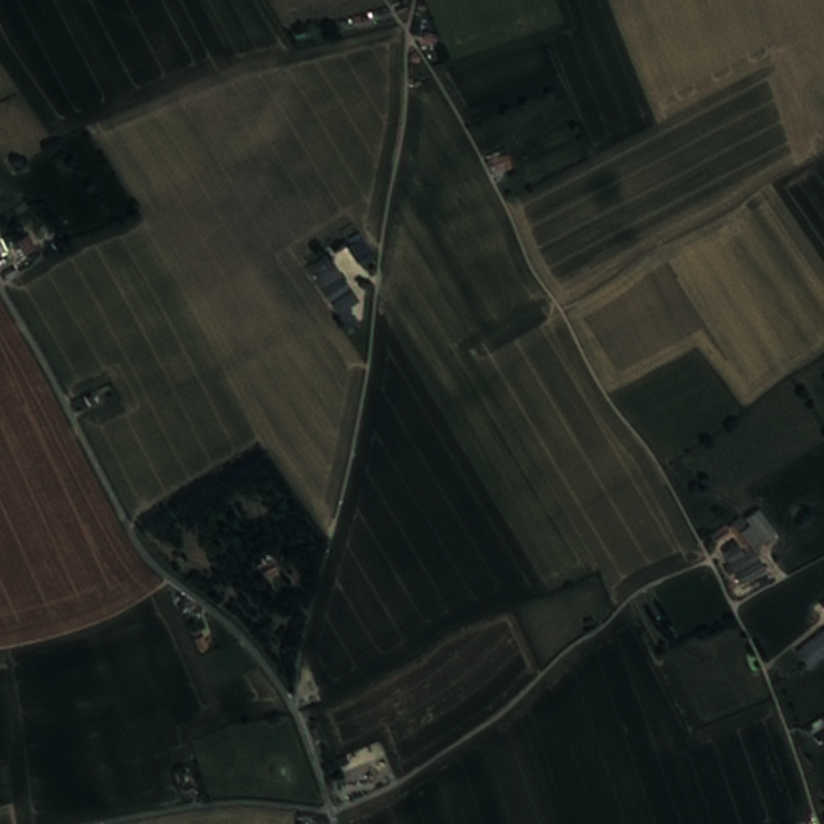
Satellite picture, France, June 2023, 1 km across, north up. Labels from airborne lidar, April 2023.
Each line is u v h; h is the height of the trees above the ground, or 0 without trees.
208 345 0
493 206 0
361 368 0
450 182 0
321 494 0
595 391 0
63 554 0
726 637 0
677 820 0
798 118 0
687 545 0
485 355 0
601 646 0
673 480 0
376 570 0
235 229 0
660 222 0
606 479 0
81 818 0
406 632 0
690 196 0
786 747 0
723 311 0
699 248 0
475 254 0
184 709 0
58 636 0
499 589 0
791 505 0
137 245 0
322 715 0
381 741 0
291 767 0
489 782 0
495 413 0
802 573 0
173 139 0
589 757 0
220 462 0
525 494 0
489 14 0
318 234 0
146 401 0
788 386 0
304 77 0
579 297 0
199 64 0
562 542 0
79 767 0
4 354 0
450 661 0
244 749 0
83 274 0
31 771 0
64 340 0
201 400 0
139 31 0
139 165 0
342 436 0
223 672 0
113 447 0
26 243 0
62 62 0
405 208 0
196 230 0
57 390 0
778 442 0
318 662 0
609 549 0
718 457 0
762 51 0
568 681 0
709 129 0
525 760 0
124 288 0
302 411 0
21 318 0
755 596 0
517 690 0
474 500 0
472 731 0
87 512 0
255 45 0
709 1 0
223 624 0
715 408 0
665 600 0
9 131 0
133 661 0
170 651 0
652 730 0
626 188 0
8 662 0
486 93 0
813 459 0
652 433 0
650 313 0
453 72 0
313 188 0
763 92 0
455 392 0
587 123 0
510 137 0
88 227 0
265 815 0
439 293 0
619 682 0
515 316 0
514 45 0
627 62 0
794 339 0
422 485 0
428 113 0
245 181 0
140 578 0
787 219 0
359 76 0
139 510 0
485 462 0
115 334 0
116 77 0
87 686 0
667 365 0
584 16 0
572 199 0
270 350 0
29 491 0
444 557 0
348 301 0
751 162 0
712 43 0
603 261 0
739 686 0
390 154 0
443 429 0
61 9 0
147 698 0
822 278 0
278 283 0
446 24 0
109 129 0
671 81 0
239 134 0
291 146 0
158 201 0
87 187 10
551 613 0
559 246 0
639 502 0
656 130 0
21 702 0
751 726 0
